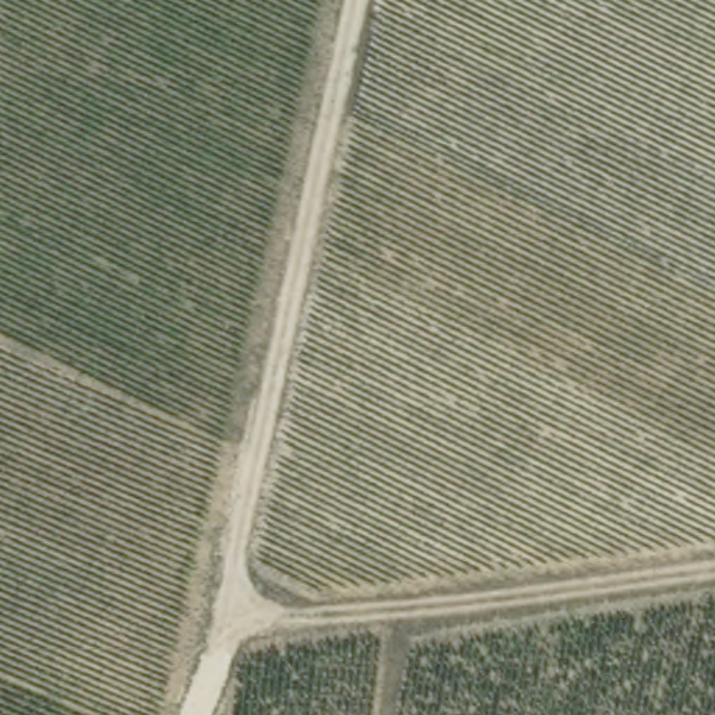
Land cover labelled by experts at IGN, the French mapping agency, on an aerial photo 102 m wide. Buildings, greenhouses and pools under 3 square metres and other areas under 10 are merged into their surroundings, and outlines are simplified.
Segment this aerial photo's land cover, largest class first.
<instances>
[{"label":"vineyard","instance_id":"1","mask_svg":"<svg viewBox=\"0 0 715 715\"><path fill-rule=\"evenodd\" d=\"M344 0H0V715H179L207 654L215 598L223 575L221 536L229 531V494L237 475L240 441L249 425V405L260 394L265 374V358L277 321V302L285 282V265L296 232L302 187L307 176V162L313 151ZM715 561V0H366L360 39L355 47L352 84L346 92V106L330 156V176L324 184L316 246L310 254V271L299 302L290 355L285 363V380L263 466L260 497L246 539V573L251 587L265 600L285 606L310 609L338 603L413 600L433 595H464L589 575H614L670 564ZM645 631L634 628L631 614L617 612L584 620L539 623L522 631L472 634L461 645H416L408 659V679L399 690V701L413 704L416 715H715V598H707L701 603H670L645 609ZM380 640L371 631L349 634L344 640H318L313 645H285L279 651H237L232 656L212 715H371Z\"/></svg>","mask_w":715,"mask_h":715},{"label":"herbaceous vegetation","instance_id":"2","mask_svg":"<svg viewBox=\"0 0 715 715\"><path fill-rule=\"evenodd\" d=\"M707 598H715V561L670 564L614 575H589L464 595H433L413 600L338 603L310 609L285 606L277 614L274 628L246 637L237 645V651H279L285 645H313L318 640H344L349 634L371 631L380 640L371 715H416L413 704L399 701V690L408 679V659L416 645H461L472 634L522 631L539 623L584 620L617 612L631 614L634 628L645 631V609L670 603H701Z\"/></svg>","mask_w":715,"mask_h":715},{"label":"pervious surface","instance_id":"3","mask_svg":"<svg viewBox=\"0 0 715 715\"><path fill-rule=\"evenodd\" d=\"M366 0H344L313 151L307 162V176L302 187L296 232L285 265V282L277 302V321L265 358V374L260 394L249 405V425L240 441L237 475L229 494V531L221 536L223 575L215 598L207 654L179 715H212L232 656L237 651V645L246 637L274 628L277 614L285 606L265 600L251 587L246 573V539L260 497L263 466L285 380V363L290 355L299 302L310 271V254L316 246L324 184L330 176V156L346 106V92L352 84L355 47L360 39Z\"/></svg>","mask_w":715,"mask_h":715}]
</instances>
